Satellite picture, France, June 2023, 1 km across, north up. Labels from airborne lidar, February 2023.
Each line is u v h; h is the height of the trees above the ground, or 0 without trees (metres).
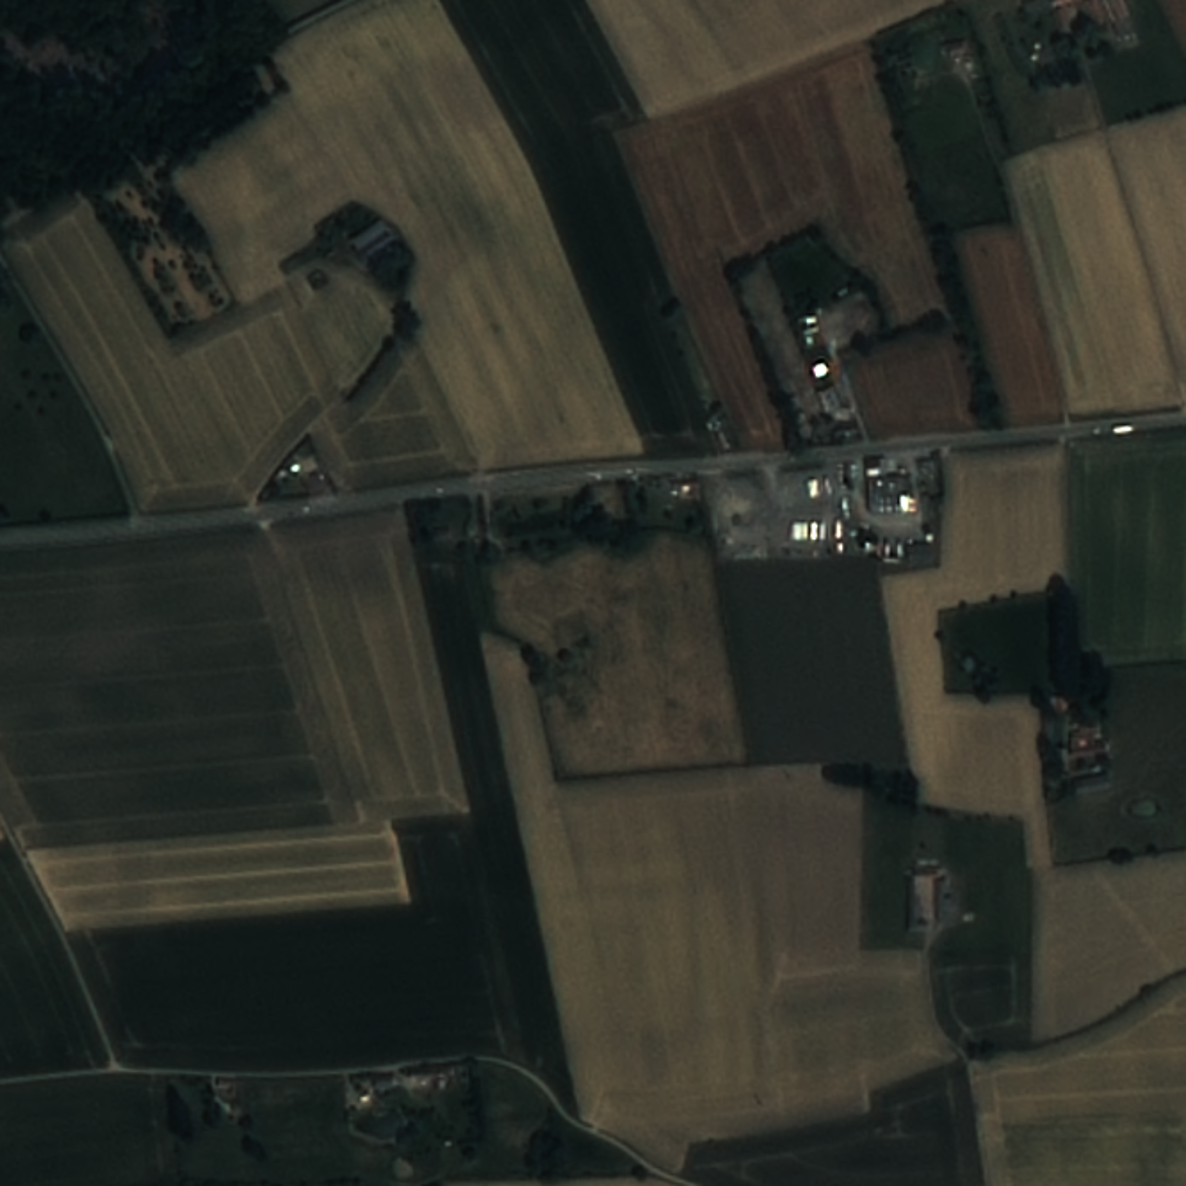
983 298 0
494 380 0
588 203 0
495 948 0
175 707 0
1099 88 0
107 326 0
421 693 0
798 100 0
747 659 0
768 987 0
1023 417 0
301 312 0
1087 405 0
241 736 0
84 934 0
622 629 0
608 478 0
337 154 0
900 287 0
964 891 0
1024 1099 0
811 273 0
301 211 0
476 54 0
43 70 26
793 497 0
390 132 0
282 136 0
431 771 0
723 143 0
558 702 0
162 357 0
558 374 0
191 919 0
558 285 0
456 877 0
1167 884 0
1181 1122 0
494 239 0
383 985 0
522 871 0
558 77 0
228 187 0
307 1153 0
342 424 0
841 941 0
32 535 0
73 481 0
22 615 0
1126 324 0
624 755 0
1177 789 0
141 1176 0
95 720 0
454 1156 0
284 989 0
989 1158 0
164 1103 0
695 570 0
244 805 0
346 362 0
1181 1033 0
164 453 0
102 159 19
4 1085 0
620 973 0
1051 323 0
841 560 0
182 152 20
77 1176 0
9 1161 0
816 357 0
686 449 0
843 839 0
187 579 0
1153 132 0
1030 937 0
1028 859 0
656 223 0
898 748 0
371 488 0
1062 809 0
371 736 0
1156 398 0
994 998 0
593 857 0
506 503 0
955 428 0
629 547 8
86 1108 0
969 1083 0
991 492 0
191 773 0
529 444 0
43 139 23
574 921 0
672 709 0
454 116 0
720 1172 0
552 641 0
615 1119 0
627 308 0
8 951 0
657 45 0
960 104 0
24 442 0
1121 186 0
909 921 0
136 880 0
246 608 0
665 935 0
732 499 0
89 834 0
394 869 0
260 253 0
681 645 0
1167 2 0
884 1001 0
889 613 0
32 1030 0
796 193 0
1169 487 0
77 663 0
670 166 0
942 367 0
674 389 0
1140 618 0
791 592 0
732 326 0
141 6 28
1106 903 0
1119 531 0
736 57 0
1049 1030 0
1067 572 0
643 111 0
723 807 0
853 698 0
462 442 0
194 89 25
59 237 0
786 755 0
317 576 0
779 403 20
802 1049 0
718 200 0
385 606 0
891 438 0
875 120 0
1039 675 0
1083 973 0
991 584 0
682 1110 0
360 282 0
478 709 0
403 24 0
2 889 0
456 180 0
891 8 0
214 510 0
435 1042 0
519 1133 0
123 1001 0
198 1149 0
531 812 0
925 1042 0
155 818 0
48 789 0
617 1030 0
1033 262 0
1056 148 0
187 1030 0
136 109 26
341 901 0
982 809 0
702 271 0
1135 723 0
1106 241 0
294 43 0
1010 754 0
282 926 0
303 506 0
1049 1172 0
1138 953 0
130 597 0
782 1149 0
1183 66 0
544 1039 0
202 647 0
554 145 0
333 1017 0
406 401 0
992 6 0
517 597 0
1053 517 0
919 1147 0
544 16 0
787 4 0
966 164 0
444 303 0
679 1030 0
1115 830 0
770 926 0
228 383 0
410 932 0
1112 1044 0
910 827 0
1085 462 0
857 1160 0
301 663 0
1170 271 0
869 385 0
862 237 0
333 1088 0
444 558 0
